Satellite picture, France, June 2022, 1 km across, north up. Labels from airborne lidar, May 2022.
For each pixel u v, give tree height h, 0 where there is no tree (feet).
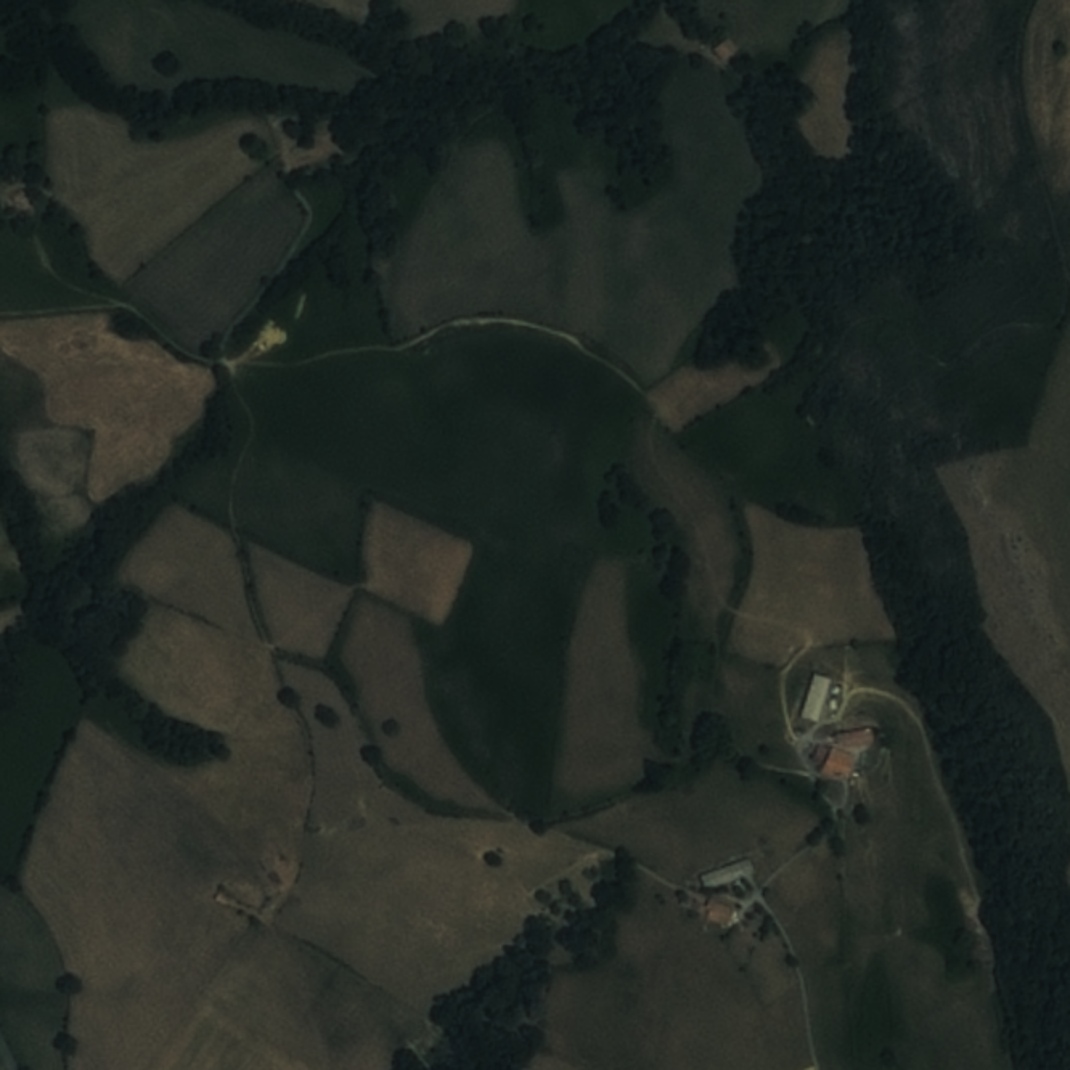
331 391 0
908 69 0
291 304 0
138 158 0
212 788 0
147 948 0
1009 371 0
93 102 54
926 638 38
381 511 0
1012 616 0
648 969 0
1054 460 0
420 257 0
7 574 0
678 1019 0
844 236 39
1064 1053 60
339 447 0
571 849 0
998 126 0
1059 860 26
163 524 0
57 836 0
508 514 0
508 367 0
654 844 0
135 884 0
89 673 56
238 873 0
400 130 59
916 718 0
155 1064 0
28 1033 0
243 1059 0
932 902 0
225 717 0
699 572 0
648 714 0
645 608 0
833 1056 0
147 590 0
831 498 0
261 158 54
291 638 0
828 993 0
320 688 0
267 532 0
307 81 0
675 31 0
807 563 0
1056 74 0
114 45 0
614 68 62
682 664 23
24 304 0
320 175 44
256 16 53
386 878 0
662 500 0
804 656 0
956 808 0
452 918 0
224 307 0
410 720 0
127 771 0
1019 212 0
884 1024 0
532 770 0
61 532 0
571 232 0
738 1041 0
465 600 0
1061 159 0
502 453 0
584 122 54
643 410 0
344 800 0
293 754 0
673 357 0
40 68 27
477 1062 81
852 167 65
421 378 0
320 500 0
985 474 0
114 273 0
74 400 0
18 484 35
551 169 0
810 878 0
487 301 0
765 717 0
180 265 0
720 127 0
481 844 0
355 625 0
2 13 38
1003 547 0
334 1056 0
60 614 73
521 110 63
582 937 68
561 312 0
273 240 0
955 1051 0
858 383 0
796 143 70
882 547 39
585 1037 0
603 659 0
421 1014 0
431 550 0
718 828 0
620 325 0
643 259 0
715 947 0
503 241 0
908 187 62
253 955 0
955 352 0
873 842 0
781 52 0
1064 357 0
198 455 49
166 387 0
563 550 0
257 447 0
